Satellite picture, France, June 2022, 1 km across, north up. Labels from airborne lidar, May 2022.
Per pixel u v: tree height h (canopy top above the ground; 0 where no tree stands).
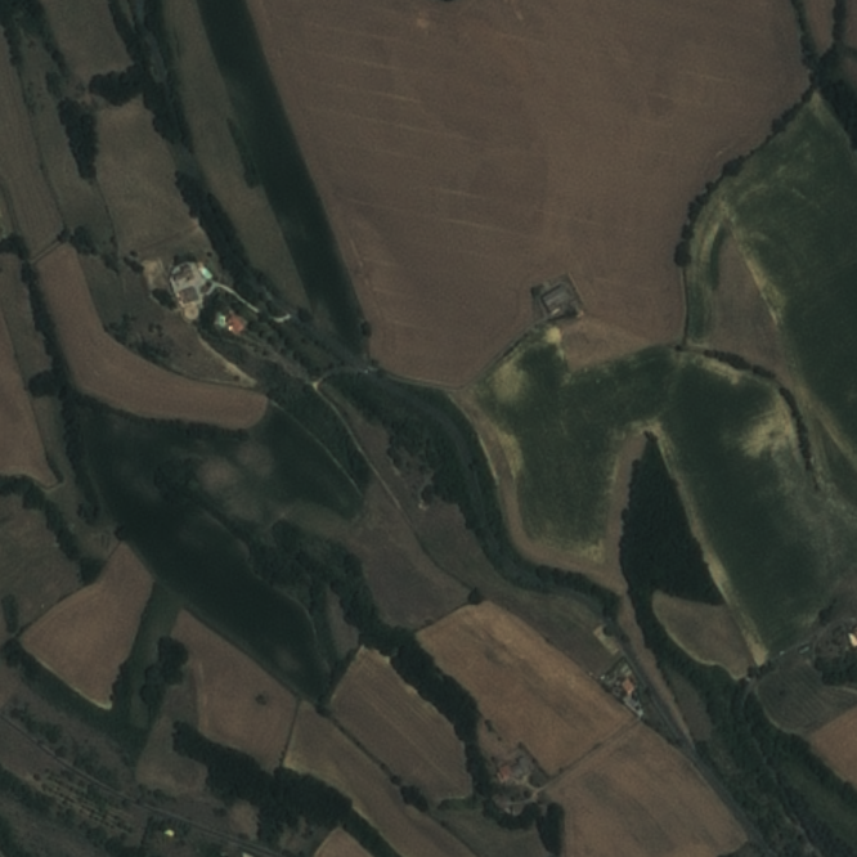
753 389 0
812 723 0
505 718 0
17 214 0
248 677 0
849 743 0
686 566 17
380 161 0
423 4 0
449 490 8
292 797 16
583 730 0
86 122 15
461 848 0
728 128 0
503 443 0
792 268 0
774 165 0
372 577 0
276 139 0
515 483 0
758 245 0
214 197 15
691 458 0
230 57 0
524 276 0
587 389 0
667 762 0
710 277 0
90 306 0
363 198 0
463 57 0
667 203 0
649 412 0
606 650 0
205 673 0
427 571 0
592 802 0
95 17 0
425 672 18
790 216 0
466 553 0
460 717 17
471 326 0
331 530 0
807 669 0
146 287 0
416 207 0
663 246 0
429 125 0
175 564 0
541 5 0
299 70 0
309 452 0
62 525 6
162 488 10
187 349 0
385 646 13
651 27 0
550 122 0
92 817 6
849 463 0
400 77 0
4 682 0
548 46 0
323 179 0
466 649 0
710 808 0
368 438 0
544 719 0
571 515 0
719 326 0
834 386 0
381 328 0
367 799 0
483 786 15
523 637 0
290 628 0
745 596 0
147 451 0
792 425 0
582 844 0
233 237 17
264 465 0
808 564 0
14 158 0
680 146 0
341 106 0
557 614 0
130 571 0
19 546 0
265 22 0
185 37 0
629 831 0
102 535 0
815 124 0
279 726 0
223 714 0
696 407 0
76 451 15
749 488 0
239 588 0
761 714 14
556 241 0
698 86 0
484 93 0
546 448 0
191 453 0
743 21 0
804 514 0
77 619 0
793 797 14
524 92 0
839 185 0
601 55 0
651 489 17
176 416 0
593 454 0
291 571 6
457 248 0
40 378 16
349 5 0
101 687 0
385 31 0
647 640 11
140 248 0
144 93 12
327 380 7
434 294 0
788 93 0
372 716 0
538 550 0
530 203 0
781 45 0
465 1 0
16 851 11
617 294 0
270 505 0
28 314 0
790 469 0
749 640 0
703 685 12
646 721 7
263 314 15
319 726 0
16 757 0
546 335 0
